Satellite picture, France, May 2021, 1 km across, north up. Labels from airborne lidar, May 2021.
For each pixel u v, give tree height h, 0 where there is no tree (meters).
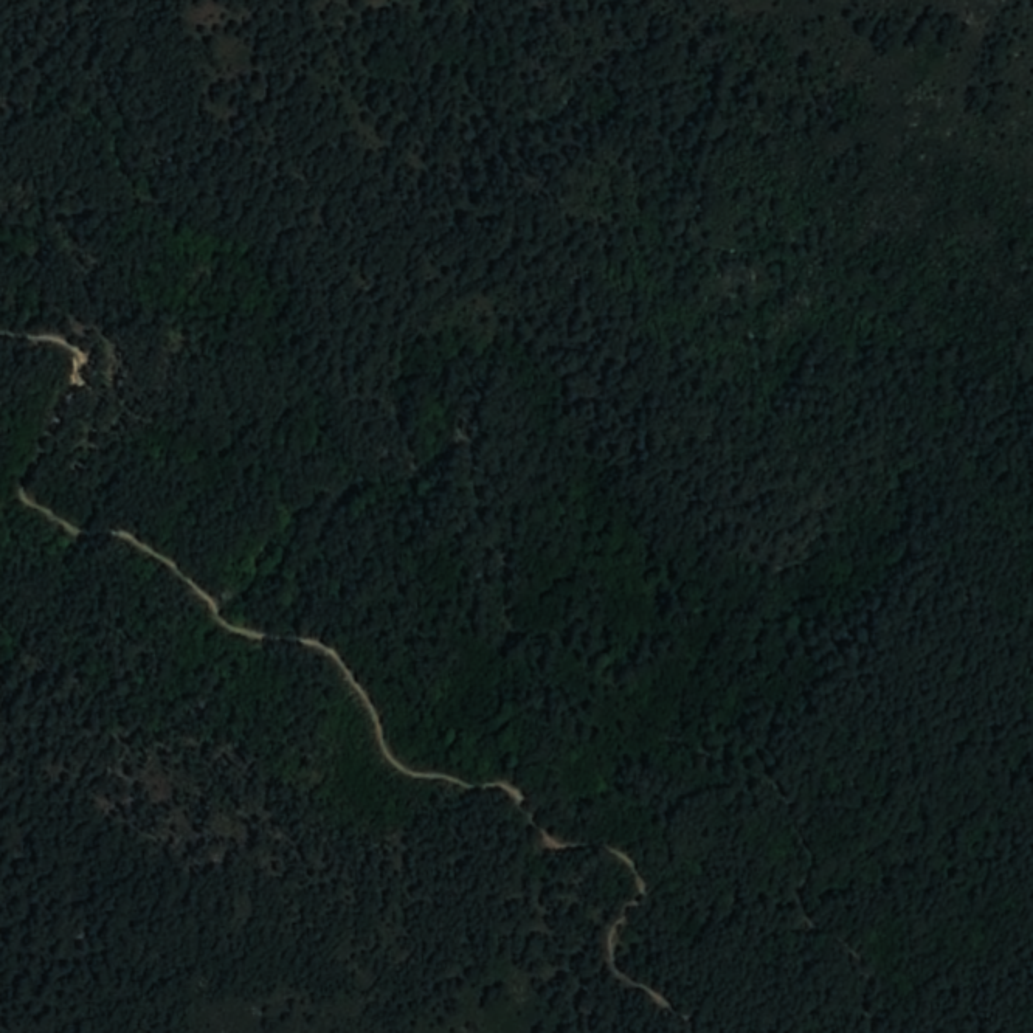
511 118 26
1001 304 7
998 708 32
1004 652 27
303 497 40
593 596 31
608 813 21
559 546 26
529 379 21
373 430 30
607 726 17
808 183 6
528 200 30
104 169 30
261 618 25
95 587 26
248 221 29
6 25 26
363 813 9
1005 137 16
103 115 35
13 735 26
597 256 29
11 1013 20
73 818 20
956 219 7
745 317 33
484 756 19
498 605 12
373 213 28
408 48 33
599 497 25
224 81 15
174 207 31
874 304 26
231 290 9
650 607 21
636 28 21
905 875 25
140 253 22
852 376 28
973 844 21
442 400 28
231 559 20
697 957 24
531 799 21
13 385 20
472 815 25
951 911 27
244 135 26
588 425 11
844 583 22
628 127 29
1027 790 34
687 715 23
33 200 11
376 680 19
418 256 20
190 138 25
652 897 12
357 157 32
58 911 22
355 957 13
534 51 23
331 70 19
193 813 9
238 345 32
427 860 21
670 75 33
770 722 19
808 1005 26
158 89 26
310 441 24
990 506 27
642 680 26
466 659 21
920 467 14
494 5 33
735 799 20
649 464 30
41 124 31
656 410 21
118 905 19
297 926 14
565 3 12
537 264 25
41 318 18
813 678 20
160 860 10
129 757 30
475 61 28
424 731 21
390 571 35
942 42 16
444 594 21
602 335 17
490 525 37
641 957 18
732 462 21
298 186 29
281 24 27
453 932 21
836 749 27
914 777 33
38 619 22
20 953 9
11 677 36
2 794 12
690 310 12
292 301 25
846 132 26
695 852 31
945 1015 27
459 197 28
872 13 8
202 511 25
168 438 24
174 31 23
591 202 7
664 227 27
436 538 35
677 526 36
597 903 23
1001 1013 33
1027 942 24
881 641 32
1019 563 33
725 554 31
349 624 22
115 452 31
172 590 21
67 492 22
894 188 7
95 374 27
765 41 12
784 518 19
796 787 28
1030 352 31
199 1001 7
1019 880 30
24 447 18
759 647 26
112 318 21
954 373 10
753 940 28
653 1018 20
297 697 23
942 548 27
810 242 21
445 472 28
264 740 16
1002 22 15
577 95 20
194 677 20
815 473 13
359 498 29
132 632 30
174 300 17
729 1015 21
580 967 28
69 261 31
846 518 8
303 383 34
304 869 17
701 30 8
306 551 34
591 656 19
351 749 9
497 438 30
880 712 28
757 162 8
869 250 12
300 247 28
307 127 27
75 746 23
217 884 19
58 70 34
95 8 22
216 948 21
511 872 26
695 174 22
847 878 23
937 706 33
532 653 40
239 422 36
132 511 25
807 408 25
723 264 18
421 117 29
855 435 29
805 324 26
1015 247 27
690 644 17
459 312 7
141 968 27
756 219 29
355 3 27
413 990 21
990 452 32
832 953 25
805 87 7
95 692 17
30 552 16
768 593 34
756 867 28
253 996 9
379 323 31
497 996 18
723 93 27
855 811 25
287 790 35
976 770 38
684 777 28
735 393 29
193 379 36
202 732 24
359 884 14
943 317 11
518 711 28
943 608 29
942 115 8
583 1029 21
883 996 16
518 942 18
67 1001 21
